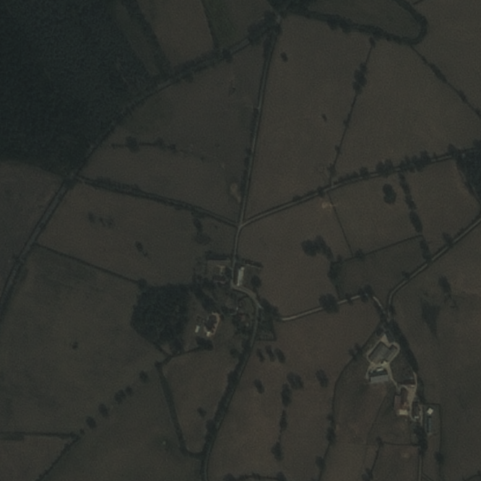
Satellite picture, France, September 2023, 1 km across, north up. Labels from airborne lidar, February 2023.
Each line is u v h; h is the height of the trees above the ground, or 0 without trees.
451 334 0
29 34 15
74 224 0
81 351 0
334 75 0
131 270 0
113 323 0
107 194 0
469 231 0
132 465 0
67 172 14
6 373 0
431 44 0
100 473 0
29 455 0
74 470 0
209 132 0
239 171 0
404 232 0
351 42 0
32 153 19
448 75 0
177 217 0
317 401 0
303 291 0
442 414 0
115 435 0
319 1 0
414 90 0
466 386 0
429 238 0
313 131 0
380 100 0
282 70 0
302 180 0
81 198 0
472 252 0
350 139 0
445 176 0
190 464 0
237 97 0
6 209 0
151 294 22
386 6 0
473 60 0
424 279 0
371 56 0
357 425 0
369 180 0
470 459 0
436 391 0
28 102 21
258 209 0
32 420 0
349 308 0
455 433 0
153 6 0
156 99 0
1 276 0
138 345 0
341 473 0
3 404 0
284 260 0
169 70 19
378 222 0
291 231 0
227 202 0
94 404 0
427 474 0
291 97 0
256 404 0
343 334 0
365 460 0
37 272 0
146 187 0
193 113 0
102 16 16
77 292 0
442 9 0
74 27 15
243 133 0
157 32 0
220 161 0
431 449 0
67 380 0
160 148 15
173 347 21
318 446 0
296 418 0
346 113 0
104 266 0
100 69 15
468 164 16
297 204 0
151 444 0
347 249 0
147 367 0
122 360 0
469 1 0
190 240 0
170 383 0
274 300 0
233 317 9
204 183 0
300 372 0
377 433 0
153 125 0
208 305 19
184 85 0
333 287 0
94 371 0
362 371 0
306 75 0
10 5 13
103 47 14
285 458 0
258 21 0
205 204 0
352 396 0
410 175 0
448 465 0
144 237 0
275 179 0
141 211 0
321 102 0
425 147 0
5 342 0
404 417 0
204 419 0
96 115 14
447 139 0
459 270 0
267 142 0
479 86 0
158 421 0
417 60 0
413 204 18
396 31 0
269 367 0
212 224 0
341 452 0
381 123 0
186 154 0
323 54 0
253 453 0
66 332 0
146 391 0
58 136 19
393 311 9
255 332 0
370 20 0
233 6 0
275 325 0
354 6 0
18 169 0
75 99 14
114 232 0
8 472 0
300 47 0
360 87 11
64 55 15
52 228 0
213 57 16
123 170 0
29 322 0
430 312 0
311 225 0
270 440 0
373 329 0
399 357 0
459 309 0
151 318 23
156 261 0
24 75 18
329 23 16
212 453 0
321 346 0
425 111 0
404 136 0
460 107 0
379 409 0
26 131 23
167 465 0
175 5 0
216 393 0
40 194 0
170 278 0
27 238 0
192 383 0
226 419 0
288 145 0
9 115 13
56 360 0
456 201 0
